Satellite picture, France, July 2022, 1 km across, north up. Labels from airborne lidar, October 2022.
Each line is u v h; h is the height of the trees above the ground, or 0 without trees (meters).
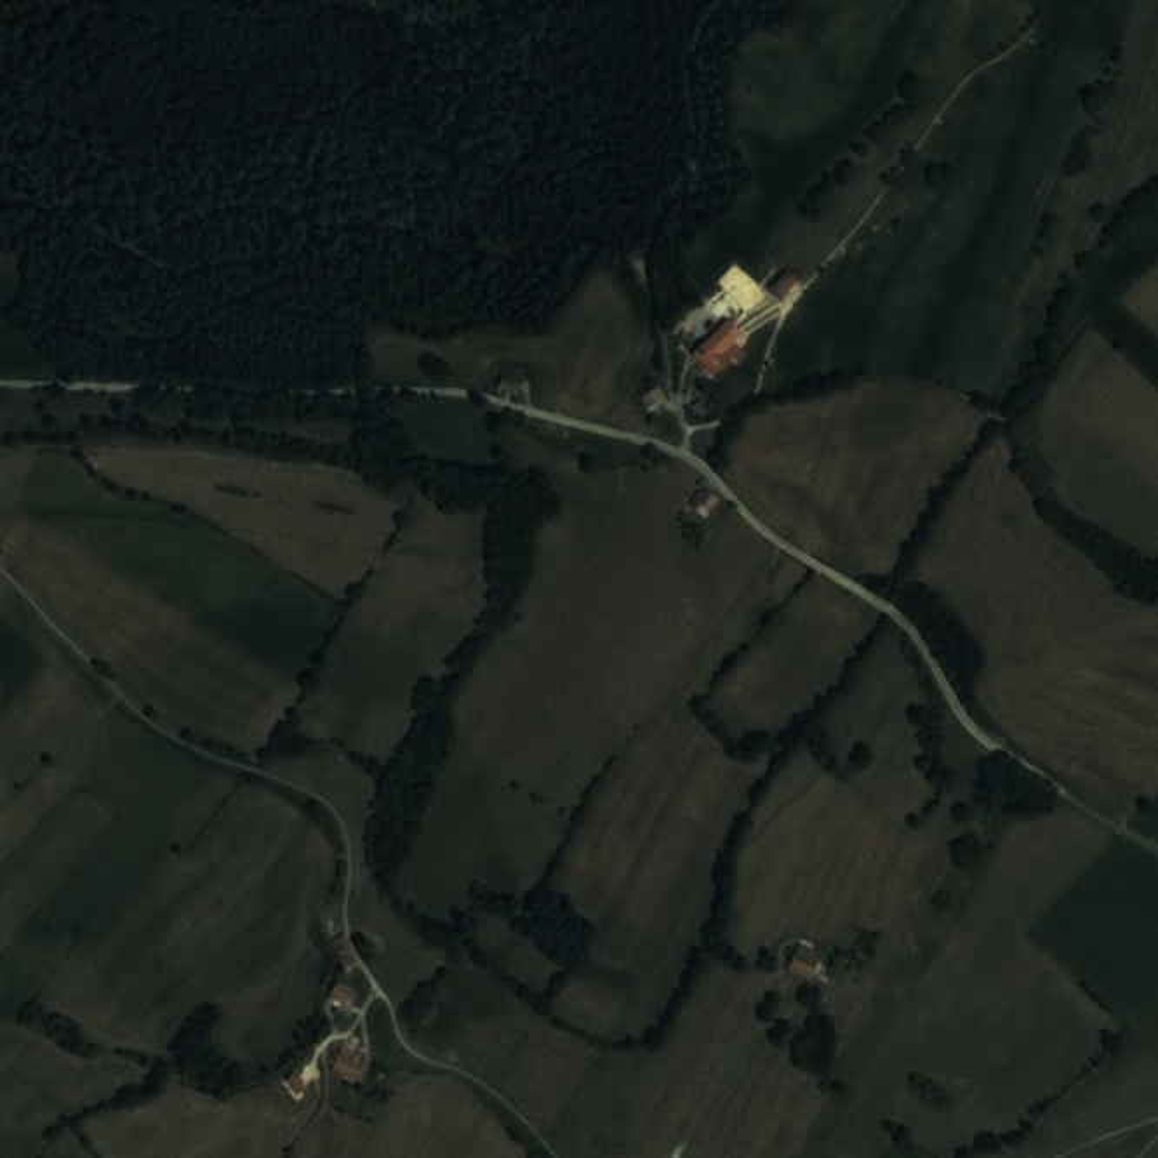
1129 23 0
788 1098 0
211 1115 0
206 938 0
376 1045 0
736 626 0
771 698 0
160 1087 17
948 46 0
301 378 20
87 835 0
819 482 0
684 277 16
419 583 0
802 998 12
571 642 0
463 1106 0
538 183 22
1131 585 10
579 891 0
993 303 0
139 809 0
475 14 25
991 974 0
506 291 16
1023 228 0
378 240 38
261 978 0
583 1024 0
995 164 0
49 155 33
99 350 26
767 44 0
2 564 0
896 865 0
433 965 0
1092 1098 0
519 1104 0
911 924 0
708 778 0
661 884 0
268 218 30
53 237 38
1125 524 0
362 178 22
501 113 33
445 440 0
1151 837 0
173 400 11
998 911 0
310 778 0
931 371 0
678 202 17
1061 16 0
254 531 0
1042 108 0
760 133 0
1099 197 0
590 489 0
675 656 0
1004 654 0
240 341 33
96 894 0
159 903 0
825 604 0
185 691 0
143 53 29
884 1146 0
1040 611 0
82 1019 0
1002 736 0
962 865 7
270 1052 0
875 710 0
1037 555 0
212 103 35
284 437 7
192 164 35
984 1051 0
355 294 18
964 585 0
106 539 0
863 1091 0
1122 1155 0
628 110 13
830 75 0
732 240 0
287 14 26
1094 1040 0
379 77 23
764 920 0
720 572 0
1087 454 0
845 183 17
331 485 0
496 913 16
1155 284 0
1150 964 0
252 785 10
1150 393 0
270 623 0
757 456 0
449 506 19
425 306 18
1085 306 0
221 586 0
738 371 0
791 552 0
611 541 0
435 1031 0
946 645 16
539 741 0
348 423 8
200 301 30
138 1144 0
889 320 0
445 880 0
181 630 0
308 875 0
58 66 23
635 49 15
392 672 0
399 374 0
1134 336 0
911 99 20
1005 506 0
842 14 0
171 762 0
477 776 0
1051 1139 0
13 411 0
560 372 0
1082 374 0
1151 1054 0
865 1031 0
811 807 0
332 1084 0
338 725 0
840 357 0
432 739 21
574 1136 0
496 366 0
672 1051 0
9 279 0
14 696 0
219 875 0
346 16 25
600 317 0
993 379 0
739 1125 0
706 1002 0
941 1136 0
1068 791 0
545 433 0
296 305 23
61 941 0
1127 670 0
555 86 8
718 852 0
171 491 0
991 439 15
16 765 0
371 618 0
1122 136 0
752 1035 0
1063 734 0
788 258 0
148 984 0
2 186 21
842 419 0
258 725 0
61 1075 0
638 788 0
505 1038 0
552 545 0
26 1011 10
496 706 0
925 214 0
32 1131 0
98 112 27
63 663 0
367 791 0
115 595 0
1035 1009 0
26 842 0
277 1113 0
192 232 32
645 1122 0
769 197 0
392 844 13
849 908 0
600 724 0
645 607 0
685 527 7
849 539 0
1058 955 0
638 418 0
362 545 0
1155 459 0
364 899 0
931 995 0
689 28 9
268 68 28
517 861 0
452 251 18
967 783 0
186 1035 14
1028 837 0
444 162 29
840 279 0
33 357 0
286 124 30
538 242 7
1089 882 0
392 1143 0
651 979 0
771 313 0
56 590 0
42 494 0
